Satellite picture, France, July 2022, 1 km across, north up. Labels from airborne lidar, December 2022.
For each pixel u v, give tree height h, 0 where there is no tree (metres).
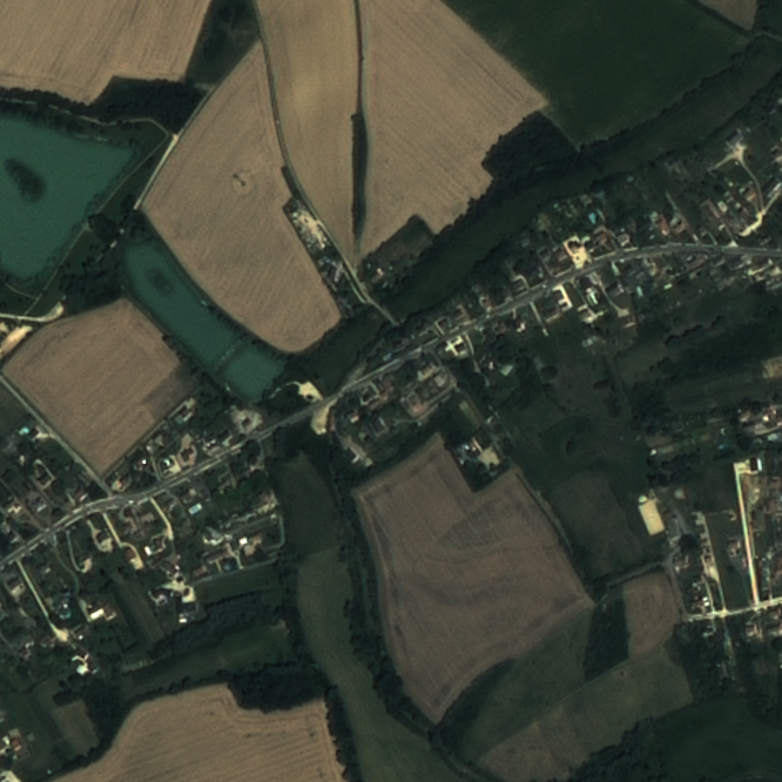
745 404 7
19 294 0
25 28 0
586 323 6
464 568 0
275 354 9
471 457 11
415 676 0
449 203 0
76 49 0
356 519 12
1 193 0
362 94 0
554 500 0
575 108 0
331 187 0
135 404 0
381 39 0
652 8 0
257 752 0
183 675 0
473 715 9
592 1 0
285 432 19
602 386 9
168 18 0
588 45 0
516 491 0
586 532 0
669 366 11
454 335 0
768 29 7
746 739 0
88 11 0
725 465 0
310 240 0
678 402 0
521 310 0
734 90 0
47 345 0
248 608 19
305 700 15
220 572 0
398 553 0
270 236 0
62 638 0
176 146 0
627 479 0
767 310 6
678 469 12
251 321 0
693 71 0
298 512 0
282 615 15
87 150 0
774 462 0
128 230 16
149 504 0
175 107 14
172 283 0
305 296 0
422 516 0
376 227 0
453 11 0
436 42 0
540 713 0
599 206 13
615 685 0
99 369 0
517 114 0
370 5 0
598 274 0
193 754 0
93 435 0
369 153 0
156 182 0
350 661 0
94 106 10
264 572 0
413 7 0
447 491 0
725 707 0
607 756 14
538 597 0
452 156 0
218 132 0
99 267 23
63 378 0
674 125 0
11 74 0
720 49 0
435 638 0
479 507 0
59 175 0
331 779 0
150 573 7
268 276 0
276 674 25
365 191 0
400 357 9
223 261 0
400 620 0
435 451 0
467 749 0
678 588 0
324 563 0
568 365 0
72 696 15
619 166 0
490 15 0
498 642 0
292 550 8
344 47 0
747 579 0
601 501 0
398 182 0
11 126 0
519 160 15
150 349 0
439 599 0
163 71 0
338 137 0
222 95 0
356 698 0
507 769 0
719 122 0
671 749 0
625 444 0
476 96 0
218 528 8
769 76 0
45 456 6
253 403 0
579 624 0
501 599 0
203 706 0
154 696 12
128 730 0
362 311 13
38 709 0
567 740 0
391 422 0
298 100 0
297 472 0
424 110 0
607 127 0
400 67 0
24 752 0
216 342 0
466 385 7
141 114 13
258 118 0
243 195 0
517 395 11
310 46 0
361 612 20
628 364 0
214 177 0
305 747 0
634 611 0
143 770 0
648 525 0
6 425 0
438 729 11
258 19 0
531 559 0
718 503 0
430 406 0
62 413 0
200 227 0
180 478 0
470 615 0
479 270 13
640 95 0
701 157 9
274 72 0
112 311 0
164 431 7
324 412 0
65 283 10
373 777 0
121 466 0
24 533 12
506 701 0
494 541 0
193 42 0
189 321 0
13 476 11
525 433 0
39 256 0
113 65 0
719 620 10
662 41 0
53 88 0
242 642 0
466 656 0
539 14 0
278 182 0
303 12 0
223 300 0
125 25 0
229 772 0
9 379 0
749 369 0
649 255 0
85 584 10
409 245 0
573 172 12
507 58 0
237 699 5
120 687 8
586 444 0
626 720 0
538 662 0
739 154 0
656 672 0
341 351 0
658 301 10
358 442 0
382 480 0
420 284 0
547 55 0
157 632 0
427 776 0
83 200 0
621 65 0
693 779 0
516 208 0
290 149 0
